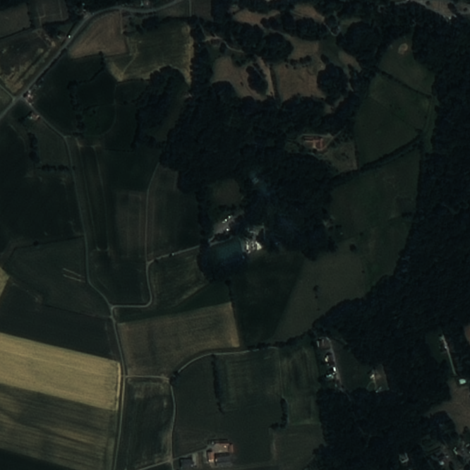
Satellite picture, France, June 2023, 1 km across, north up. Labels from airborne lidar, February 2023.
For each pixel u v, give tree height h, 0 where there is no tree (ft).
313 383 0
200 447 0
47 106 0
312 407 0
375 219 0
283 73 0
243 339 0
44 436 0
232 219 0
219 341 0
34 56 0
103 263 0
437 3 0
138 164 0
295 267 0
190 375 0
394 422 104
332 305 0
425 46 88
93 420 0
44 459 0
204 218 95
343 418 83
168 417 0
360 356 69
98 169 0
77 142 0
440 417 63
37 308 0
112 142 0
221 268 74
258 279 0
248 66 0
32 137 52
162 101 70
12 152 0
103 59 21
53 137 0
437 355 0
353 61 0
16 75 0
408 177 0
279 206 118
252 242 0
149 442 0
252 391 0
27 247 0
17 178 0
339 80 88
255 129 52
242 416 0
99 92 0
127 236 0
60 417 0
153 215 0
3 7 54
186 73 0
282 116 70
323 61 51
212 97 81
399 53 0
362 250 0
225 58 0
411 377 75
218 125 85
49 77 0
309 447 0
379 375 0
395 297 77
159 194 0
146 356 0
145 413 0
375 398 79
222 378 0
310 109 61
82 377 0
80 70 0
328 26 50
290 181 84
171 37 0
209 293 0
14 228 0
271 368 0
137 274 0
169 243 0
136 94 0
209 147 79
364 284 0
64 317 0
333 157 0
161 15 0
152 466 0
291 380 0
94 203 0
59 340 0
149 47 0
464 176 81
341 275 0
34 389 0
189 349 0
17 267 0
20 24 0
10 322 0
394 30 64
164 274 0
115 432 0
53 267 0
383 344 82
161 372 0
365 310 87
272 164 83
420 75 0
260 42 62
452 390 0
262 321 0
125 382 0
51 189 0
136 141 38
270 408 0
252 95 0
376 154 0
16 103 0
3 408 0
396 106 0
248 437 0
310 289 0
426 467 70
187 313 0
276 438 0
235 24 49
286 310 0
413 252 73
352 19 0
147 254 0
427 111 0
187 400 0
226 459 0
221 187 0
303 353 0
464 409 0
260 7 57
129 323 0
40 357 0
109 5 41
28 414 0
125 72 0
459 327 82
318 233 101
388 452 94
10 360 0
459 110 91
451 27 77
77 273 0
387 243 0
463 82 96
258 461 0
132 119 0
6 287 0
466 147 104
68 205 0
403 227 0
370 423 86
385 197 0
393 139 0
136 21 0
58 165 0
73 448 0
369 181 0
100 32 0
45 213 0
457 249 77
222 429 0
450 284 99
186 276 0
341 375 0
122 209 0
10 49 0
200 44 66
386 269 0
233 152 80
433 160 70
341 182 22
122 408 0
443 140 70
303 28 64
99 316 0
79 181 0
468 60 84
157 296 0
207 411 0
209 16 0
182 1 0
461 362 89
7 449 0
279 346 32
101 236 0
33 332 0
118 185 0
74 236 0
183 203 0
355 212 0
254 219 94
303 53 0
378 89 0
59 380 0
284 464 0
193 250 0
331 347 0
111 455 0
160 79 78
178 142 77
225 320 0
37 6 0
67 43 0
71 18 34
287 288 0
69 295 0
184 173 72
